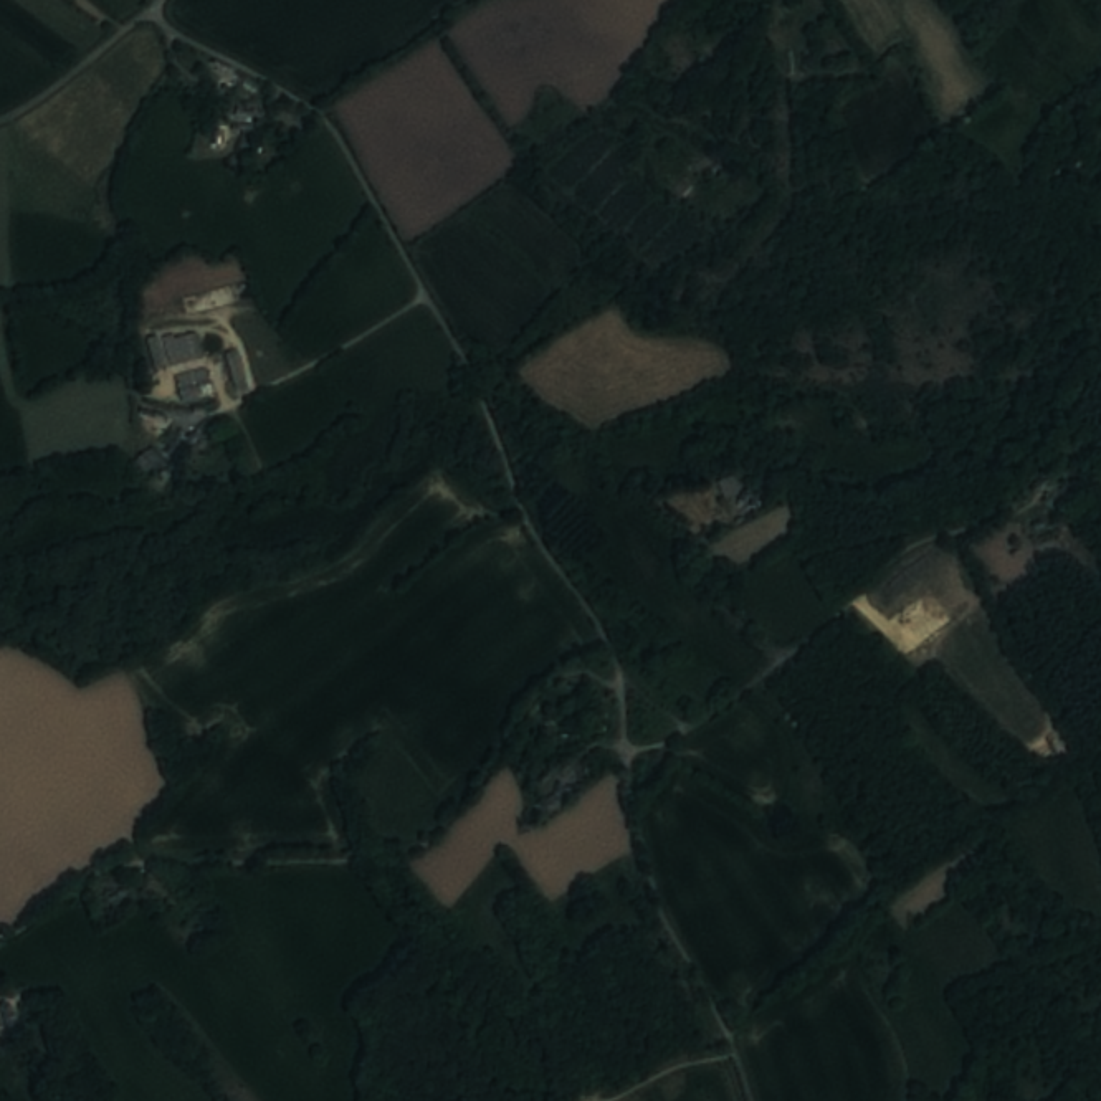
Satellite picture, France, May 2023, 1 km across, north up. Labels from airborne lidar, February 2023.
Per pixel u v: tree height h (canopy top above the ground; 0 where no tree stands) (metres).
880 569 13
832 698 16
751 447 12
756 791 0
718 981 0
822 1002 0
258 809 0
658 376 0
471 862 0
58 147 0
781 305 10
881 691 14
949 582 0
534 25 0
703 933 0
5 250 0
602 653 16
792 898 0
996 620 12
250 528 0
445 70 0
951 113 0
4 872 0
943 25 0
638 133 15
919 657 0
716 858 0
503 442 10
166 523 0
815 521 15
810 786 0
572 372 0
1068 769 14
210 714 0
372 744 8
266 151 0
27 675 0
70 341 0
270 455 0
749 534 0
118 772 0
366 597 0
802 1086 0
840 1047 0
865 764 13
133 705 0
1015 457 17
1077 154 9
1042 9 0
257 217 0
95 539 9
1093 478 16
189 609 13
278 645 0
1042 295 11
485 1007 14
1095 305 14
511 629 0
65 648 10
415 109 0
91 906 18
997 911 9
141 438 0
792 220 13
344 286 0
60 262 0
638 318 9
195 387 0
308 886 0
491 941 0
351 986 0
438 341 0
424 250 0
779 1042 0
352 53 0
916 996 0
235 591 9
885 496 19
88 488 0
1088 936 13
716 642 0
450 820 11
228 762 0
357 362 0
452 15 11
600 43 0
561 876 0
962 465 20
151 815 17
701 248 11
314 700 0
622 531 0
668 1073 0
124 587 12
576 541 34
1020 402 18
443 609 0
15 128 0
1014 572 0
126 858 13
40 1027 17
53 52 0
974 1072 20
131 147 8
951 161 14
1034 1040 7
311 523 0
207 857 10
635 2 0
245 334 0
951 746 9
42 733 0
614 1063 18
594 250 13
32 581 13
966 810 18
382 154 0
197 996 0
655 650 11
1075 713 22
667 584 0
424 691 0
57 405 0
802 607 0
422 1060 27
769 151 12
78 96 0
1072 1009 10
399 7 0
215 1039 0
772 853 0
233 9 0
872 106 0
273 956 0
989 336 10
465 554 0
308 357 0
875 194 9
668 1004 19
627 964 20
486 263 0
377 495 0
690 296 12
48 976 0
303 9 0
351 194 0
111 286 10
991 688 0
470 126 0
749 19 14
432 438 6
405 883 16
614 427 8
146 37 0
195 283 0
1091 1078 14
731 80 15
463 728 0
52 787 0
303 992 0
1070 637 13
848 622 12
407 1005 24
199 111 8
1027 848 0
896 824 13
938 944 0
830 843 0
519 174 12
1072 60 0
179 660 0
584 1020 20
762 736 0
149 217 0
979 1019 7
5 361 0
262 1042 0
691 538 13
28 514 10
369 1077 22
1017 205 14
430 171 0
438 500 0
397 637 0
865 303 12
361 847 17
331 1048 0
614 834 0
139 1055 0
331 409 0
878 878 11
